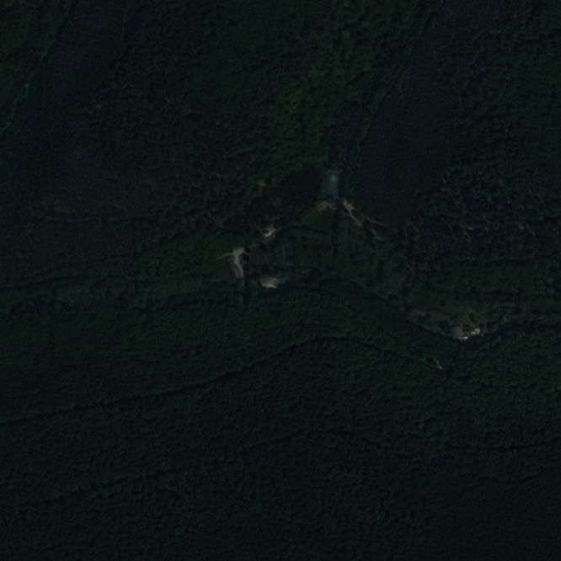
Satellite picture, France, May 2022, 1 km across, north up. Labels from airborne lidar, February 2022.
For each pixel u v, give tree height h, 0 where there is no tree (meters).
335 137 33
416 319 14
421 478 26
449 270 23
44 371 23
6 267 17
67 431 30
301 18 24
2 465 30
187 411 28
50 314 26
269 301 25
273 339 26
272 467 25
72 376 24
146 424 30
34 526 30
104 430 29
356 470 29
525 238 27
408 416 30
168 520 28
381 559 28
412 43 17
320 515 29
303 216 7
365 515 32
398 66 18
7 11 24
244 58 25
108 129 24
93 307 21
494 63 25
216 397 30
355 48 32
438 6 19
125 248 17
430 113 14
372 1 32
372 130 15
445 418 34
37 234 22
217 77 25
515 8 26
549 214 15
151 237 24
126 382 28
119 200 22
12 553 23
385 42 31
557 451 29
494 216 28
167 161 21
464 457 30
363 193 16
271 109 30
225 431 31
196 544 29
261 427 27
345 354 28
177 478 27
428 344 21
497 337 24
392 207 16
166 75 27
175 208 30
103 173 18
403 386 27
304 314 30
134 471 27
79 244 18
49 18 21
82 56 18
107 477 27
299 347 20
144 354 29
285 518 26
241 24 27
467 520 24
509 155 27
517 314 15
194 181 28
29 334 23
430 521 28
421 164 15
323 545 29
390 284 25
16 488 27
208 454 30
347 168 26
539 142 26
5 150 14
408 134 16
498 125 18
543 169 29
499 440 30
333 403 30
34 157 17
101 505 30
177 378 28
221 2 26
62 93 17
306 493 33
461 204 9
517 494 27
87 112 12
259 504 29
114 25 16
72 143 16
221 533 28
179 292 21
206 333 27
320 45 30
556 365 30
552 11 27
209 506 27
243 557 28
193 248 28
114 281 26
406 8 35
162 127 32
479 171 23
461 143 14
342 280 22
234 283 21
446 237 22
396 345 26
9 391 23
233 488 29
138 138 27
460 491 28
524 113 22
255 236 25
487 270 26
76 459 31
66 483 27
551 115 24
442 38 27
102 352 26
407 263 15
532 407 30
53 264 19
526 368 28
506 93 24
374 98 23
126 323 23
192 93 26
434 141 15
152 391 24
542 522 26
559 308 0
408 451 31
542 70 26
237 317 26
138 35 28
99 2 18
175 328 29
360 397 31
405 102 13
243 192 29
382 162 15
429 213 11
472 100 13
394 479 31
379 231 31
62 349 23
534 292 25
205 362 29
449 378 30
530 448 30
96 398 27
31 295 19
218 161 26
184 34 31
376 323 16
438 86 19
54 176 15
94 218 17
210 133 21
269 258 0
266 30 26
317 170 16
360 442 28
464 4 19
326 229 0
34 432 31
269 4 26
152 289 28
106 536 27
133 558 28
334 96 32
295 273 19
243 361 23
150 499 28
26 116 15
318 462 31
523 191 26
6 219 18
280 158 30
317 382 27
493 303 20
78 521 22
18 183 16
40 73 14
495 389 29
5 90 23
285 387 28
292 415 32
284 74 23
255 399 31
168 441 31
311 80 33
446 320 0
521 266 26
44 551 21
